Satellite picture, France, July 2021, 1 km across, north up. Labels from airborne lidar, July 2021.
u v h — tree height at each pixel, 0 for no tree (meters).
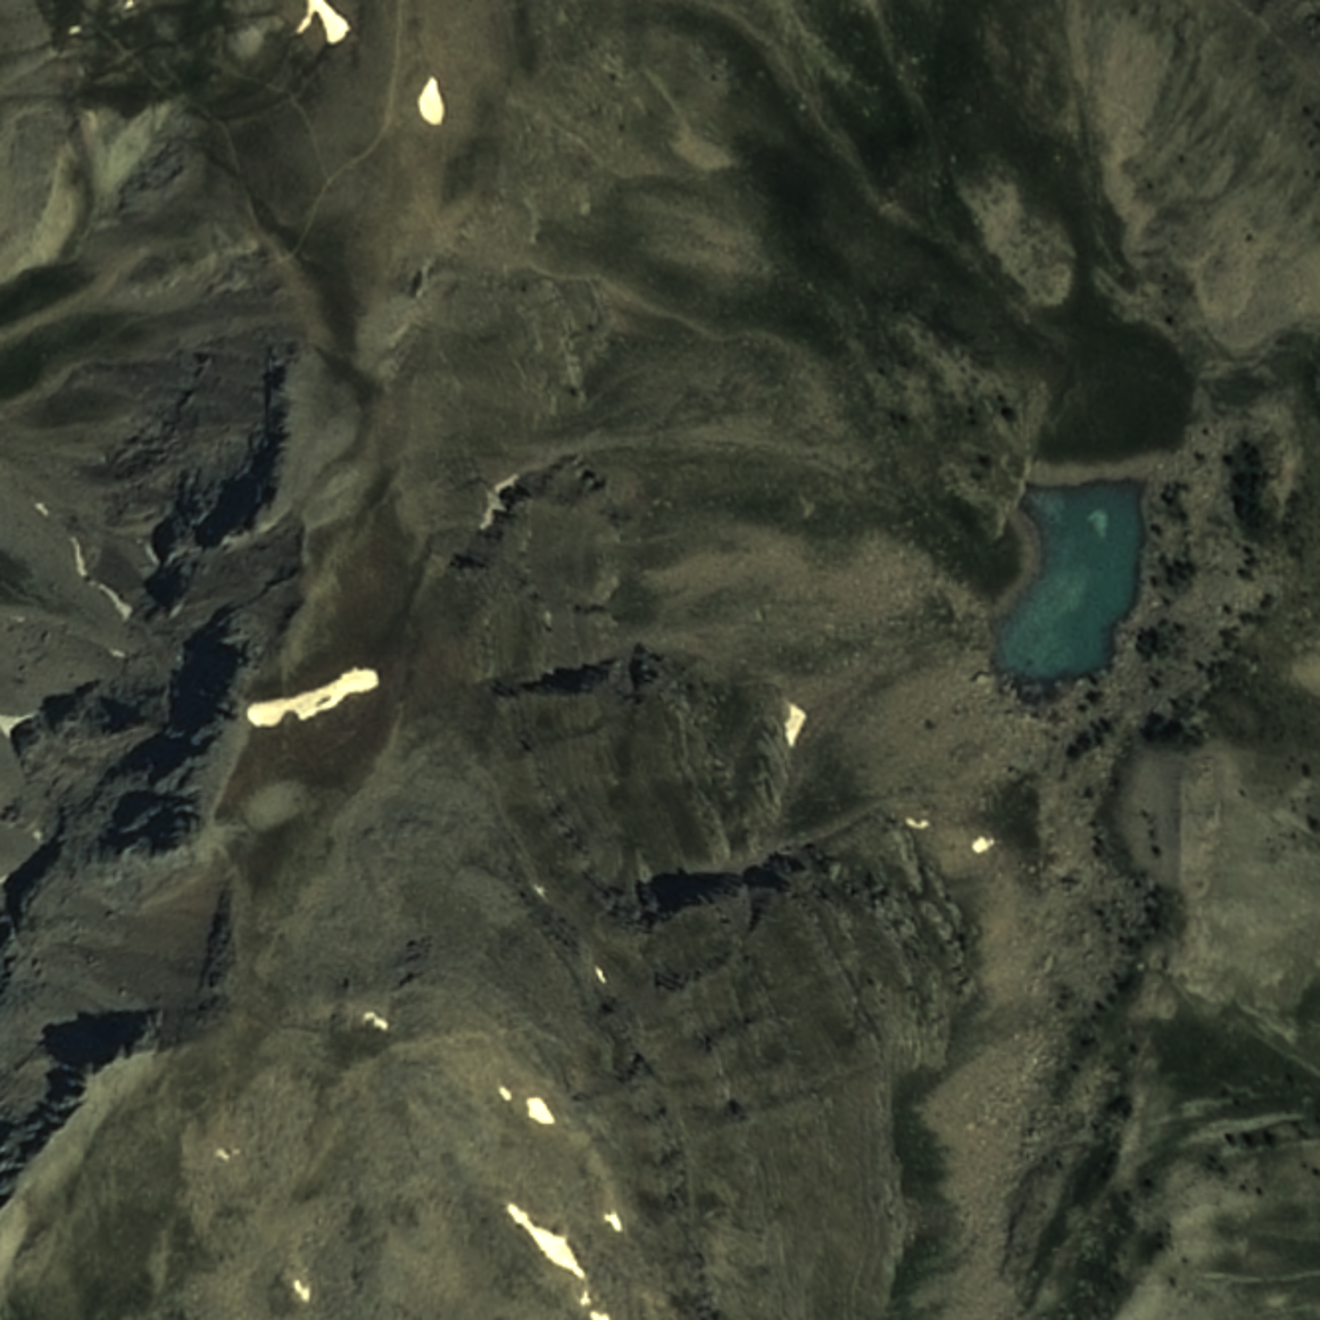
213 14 0
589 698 0
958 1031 0
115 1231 0
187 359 0
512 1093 0
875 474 0
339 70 0
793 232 0
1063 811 0
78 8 0
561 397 0
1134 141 0
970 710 0
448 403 0
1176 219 0
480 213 0
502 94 0
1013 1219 0
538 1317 0
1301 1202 0
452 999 0
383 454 0
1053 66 0
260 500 0
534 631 0
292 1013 0
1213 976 0
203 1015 0
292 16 0
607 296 0
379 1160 0
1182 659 0
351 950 0
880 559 0
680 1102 0
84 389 0
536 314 0
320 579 0
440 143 0
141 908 0
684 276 0
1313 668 0
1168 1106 0
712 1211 0
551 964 0
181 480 0
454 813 0
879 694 0
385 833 0
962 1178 0
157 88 0
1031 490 0
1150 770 0
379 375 0
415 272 0
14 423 0
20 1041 0
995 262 0
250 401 0
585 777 0
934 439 0
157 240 0
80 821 0
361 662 0
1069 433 0
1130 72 0
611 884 0
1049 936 0
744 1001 0
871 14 0
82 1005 0
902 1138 0
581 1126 0
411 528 0
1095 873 0
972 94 0
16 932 0
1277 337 0
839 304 0
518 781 0
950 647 0
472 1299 0
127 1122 0
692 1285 0
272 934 0
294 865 0
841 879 0
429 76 0
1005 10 0
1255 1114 0
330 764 0
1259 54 0
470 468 0
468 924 0
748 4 0
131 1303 0
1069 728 0
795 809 0
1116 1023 0
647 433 0
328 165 0
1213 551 0
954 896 0
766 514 0
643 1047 0
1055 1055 0
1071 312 0
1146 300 0
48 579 0
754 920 0
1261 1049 0
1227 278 0
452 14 0
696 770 0
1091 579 0
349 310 0
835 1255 0
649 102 0
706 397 0
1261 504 7
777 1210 0
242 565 0
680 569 0
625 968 0
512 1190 0
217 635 0
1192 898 0
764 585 0
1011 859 0
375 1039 0
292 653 0
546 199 0
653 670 0
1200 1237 0
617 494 0
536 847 0
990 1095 0
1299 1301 0
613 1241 0
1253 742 0
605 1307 0
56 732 0
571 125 0
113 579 0
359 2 0
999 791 0
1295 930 0
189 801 0
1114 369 0
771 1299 0
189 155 0
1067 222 0
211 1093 0
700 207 0
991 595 0
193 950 0
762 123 0
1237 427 0
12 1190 0
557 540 0
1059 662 0
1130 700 0
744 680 0
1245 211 0
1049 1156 0
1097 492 0
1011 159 0
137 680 0
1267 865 0
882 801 0
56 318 0
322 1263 0
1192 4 0
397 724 0
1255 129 0
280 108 0
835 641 0
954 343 0
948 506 0
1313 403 0
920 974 0
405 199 0
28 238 0
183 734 0
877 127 0
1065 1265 0
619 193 0
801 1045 0
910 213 0
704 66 0
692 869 0
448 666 0
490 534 0
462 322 0
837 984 0
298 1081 0
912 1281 0
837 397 0
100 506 0
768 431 0
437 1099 0
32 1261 0
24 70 0
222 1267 0
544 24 0
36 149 0
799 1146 0
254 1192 0
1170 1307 0
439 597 0
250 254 0
